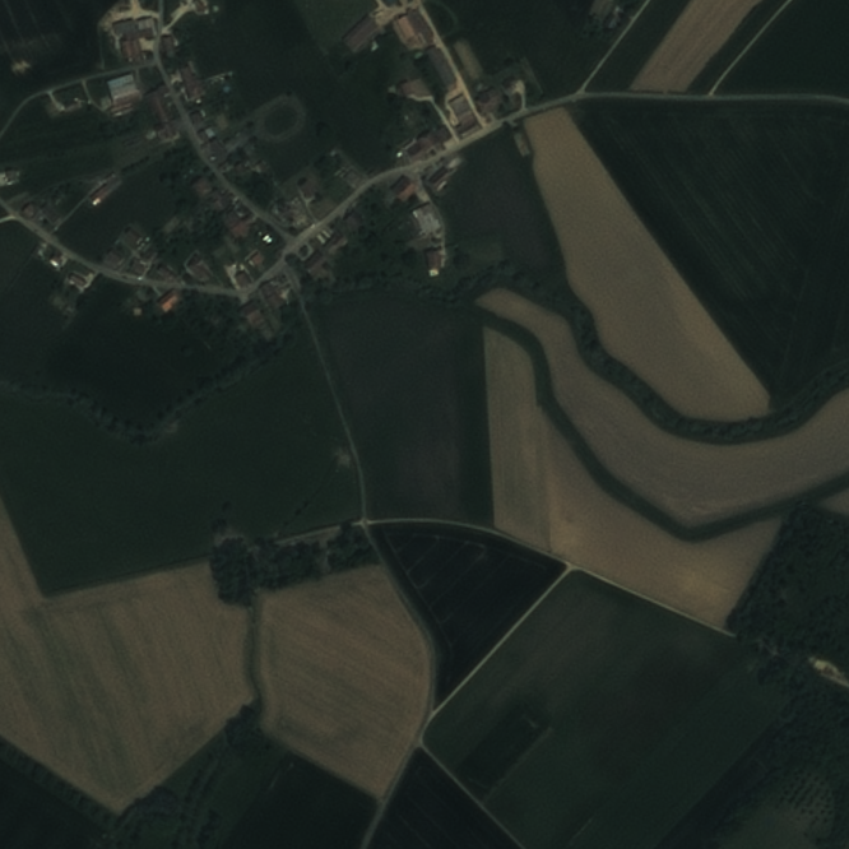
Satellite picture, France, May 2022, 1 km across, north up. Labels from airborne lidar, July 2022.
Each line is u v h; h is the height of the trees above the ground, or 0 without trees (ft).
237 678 0
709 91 0
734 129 0
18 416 0
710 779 0
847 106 0
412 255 50
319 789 0
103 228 0
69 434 0
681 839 0
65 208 0
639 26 0
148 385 0
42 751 0
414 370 0
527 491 0
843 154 0
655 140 0
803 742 60
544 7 0
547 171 0
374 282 51
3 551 0
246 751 80
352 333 0
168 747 0
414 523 0
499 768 0
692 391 0
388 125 0
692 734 0
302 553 66
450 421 0
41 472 0
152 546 0
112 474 0
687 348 0
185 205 40
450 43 0
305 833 0
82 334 0
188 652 0
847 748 75
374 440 0
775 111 0
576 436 0
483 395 0
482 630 0
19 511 0
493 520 0
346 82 0
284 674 0
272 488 0
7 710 0
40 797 0
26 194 0
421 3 0
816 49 0
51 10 0
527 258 0
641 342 0
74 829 0
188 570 0
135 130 20
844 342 0
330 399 0
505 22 0
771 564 39
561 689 0
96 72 0
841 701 44
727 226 0
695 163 0
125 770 0
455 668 0
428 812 0
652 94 0
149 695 0
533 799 0
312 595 0
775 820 0
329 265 27
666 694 0
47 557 0
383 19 0
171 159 33
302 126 0
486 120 0
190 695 0
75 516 0
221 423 0
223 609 0
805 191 0
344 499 0
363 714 0
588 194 0
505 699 0
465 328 0
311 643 0
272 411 0
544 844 0
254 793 0
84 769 0
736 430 44
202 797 33
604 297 0
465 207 0
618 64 0
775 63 0
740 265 0
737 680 0
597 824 0
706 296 0
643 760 0
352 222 0
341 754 0
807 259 0
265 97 0
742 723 0
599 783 0
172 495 0
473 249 0
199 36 0
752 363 0
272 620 0
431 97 0
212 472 0
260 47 0
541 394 0
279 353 45
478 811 0
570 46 0
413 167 0
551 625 0
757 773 0
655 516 0
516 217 0
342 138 0
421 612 0
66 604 0
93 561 0
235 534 0
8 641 0
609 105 0
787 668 82
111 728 0
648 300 0
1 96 0
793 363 0
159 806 74
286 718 0
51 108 0
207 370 0
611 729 0
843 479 0
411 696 0
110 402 0
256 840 0
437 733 0
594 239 0
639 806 0
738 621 54
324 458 0
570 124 0
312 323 0
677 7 0
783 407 0
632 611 0
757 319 0
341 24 0
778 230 0
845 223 0
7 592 0
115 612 0
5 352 0
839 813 24
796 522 45
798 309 0
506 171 0
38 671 0
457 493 0
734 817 44
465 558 0
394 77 0
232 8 0
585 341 29
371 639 0
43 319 0
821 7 0
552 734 0
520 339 0
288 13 0
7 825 0
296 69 0
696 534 0
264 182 35
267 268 0
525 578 0
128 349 0
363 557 55
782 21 0
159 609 0
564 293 0
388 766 0
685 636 0
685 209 0
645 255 0
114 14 0
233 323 31
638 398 0
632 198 0
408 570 0
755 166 0
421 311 0
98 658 0
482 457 0
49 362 0
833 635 25
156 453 0
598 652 0
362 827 0
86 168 0
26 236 0
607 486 0
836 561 18
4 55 0
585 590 0
